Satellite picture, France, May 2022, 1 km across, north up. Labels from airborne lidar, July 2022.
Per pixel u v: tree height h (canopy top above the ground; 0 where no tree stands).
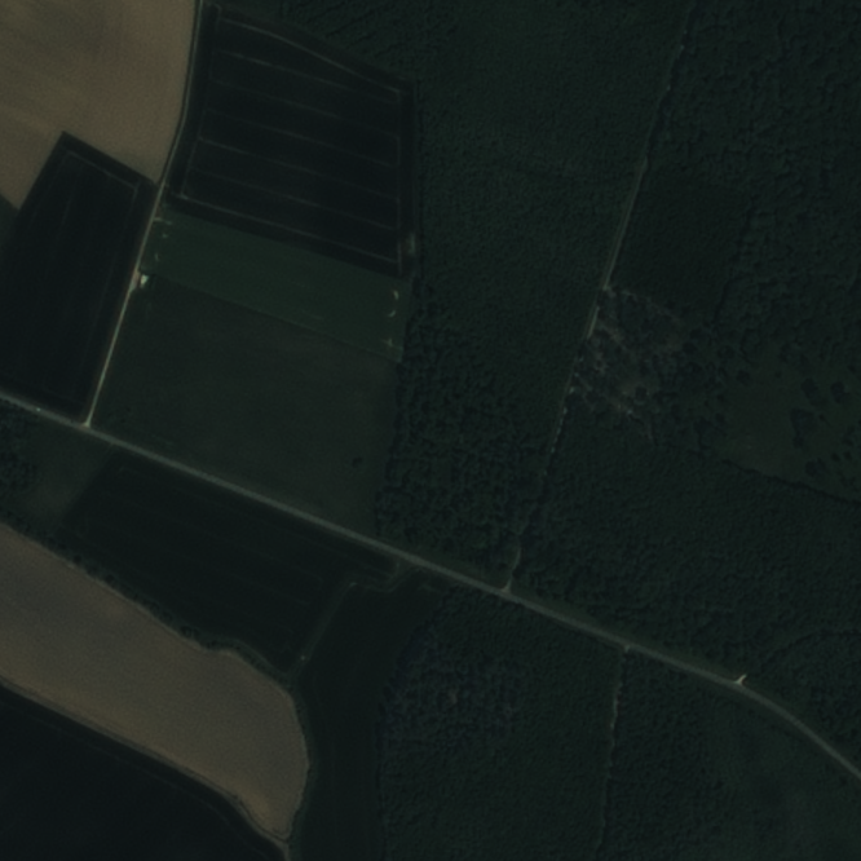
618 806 17
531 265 11
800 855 13
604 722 15
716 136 24
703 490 17
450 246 11
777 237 21
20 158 0
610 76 12
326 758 0
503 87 12
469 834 15
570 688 14
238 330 0
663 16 8
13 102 0
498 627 16
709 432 25
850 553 19
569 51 11
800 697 28
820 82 21
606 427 19
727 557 18
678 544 18
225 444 0
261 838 0
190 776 0
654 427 23
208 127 0
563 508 19
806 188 27
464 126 13
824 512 21
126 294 0
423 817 18
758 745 15
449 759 18
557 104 12
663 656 0
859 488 25
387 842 11
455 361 22
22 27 0
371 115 0
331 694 0
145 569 0
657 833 17
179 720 0
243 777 0
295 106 0
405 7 16
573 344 10
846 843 11
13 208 0
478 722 19
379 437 0
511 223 12
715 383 18
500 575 11
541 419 10
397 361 0
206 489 0
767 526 18
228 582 0
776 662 18
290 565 0
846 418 0
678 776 18
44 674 0
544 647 15
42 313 0
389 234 0
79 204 0
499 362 11
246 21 0
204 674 0
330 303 0
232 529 0
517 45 12
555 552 31
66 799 0
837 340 18
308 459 0
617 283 9
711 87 22
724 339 23
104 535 0
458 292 11
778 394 0
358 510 0
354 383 0
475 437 21
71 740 0
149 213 0
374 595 0
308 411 0
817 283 23
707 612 19
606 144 11
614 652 11
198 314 0
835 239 22
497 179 12
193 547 0
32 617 0
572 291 10
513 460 29
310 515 0
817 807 16
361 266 0
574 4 22
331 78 0
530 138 13
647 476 18
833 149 21
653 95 10
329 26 14
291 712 0
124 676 0
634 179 12
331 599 0
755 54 23
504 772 16
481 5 15
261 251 0
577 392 18
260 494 0
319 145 0
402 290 0
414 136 0
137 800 0
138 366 0
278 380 0
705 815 16
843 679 23
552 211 15
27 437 26
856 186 23
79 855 0
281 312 0
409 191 0
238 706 0
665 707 18
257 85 0
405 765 18
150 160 0
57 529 0
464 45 17
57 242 0
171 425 0
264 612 0
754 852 14
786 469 0
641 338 22
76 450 0
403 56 14
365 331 0
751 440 0
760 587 22
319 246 0
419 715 24
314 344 0
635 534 21
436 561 0
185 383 0
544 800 16
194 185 0
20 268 0
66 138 0
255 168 0
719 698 10
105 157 0
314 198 0
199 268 0
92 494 0
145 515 0
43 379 0
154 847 0
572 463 17
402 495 24
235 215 0
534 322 11
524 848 14
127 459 0
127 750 0
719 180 17
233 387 0
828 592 20
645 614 26
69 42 0
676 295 12
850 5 25
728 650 31
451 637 18
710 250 11
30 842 0
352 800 0
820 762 16
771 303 20
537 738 16
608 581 30
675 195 11
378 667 0
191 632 13
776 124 23
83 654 0
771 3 29
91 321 0
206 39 0
